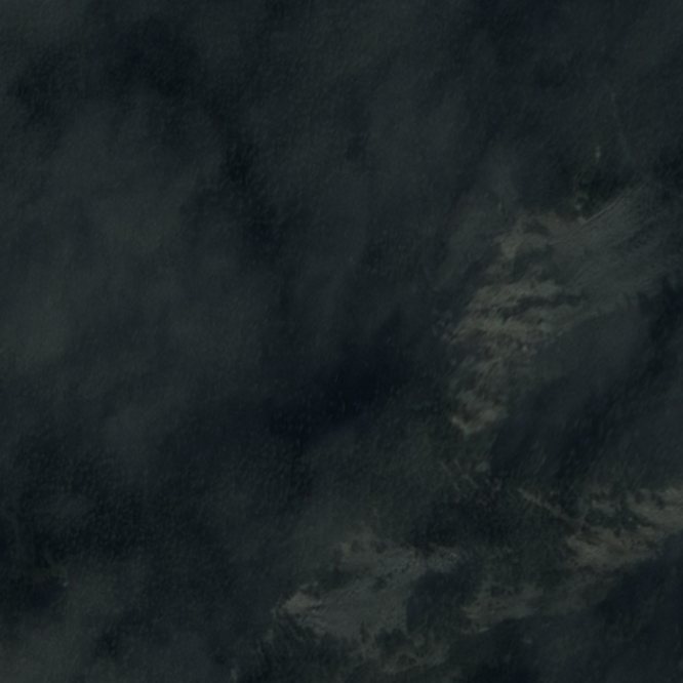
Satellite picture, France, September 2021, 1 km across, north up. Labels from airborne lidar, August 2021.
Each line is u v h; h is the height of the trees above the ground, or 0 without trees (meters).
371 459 23
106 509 15
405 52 11
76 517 15
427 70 27
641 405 28
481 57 16
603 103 21
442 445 21
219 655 10
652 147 29
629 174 11
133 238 28
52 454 16
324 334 20
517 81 23
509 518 12
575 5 35
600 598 0
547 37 7
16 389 18
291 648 18
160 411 25
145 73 27
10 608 24
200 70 27
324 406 19
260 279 31
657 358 15
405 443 26
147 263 28
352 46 30
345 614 0
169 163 37
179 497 19
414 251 13
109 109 25
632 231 0
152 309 27
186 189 23
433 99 25
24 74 35
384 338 11
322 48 12
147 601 19
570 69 17
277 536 27
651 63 20
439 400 14
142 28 23
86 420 13
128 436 19
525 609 0
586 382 0
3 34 24
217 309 14
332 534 19
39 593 0
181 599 18
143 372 29
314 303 35
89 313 15
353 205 13
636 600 27
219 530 19
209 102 28
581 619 7
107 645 16
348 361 14
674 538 0
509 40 27
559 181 25
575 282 0
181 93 26
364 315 30
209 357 30
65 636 19
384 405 16
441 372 10
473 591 20
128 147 39
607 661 8
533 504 13
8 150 12
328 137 18
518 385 8
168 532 18
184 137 33
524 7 10
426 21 15
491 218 0
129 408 20
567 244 0
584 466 31
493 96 26
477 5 15
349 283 23
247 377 23
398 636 6
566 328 0
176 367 29
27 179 33
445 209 29
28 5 14
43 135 21
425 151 35
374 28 34
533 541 27
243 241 14
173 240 30
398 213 24
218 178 23
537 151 26
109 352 21
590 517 11
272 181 27
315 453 19
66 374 12
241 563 15
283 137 32
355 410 26
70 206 29
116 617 15
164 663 15
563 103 28
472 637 7
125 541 16
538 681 19
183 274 28
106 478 10
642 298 0
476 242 0
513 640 6
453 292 0
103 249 16
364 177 20
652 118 24
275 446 15
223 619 19
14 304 11
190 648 0
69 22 25
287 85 29
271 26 21
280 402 19
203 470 18
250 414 21
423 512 25
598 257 0
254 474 23
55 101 26
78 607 16
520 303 0
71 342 16
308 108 34
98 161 31
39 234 18
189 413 32
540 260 11
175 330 31
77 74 30
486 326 0
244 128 31
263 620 13
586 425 36
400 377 16
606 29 15
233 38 27
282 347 33
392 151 31
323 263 17
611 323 15
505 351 0
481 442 13
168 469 24
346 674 8
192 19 24
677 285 0
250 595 15
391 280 17
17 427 16
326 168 26
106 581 16
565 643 7
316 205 33
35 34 31
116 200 9
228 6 23
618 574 13
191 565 16
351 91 12
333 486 30
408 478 9
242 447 16
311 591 8
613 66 32
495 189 0
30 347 16
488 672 7
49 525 18
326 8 26
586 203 17
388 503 30
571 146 25
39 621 23
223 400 32
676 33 38
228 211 17
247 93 30
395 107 34
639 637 6
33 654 21
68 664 22
